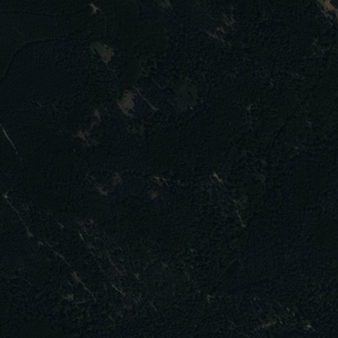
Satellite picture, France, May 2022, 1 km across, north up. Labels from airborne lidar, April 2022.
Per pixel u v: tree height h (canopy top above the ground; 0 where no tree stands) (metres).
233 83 18
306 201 21
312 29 18
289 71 17
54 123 19
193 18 18
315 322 31
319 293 34
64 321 20
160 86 33
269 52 31
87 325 27
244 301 23
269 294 31
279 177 34
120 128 24
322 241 26
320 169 27
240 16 20
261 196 8
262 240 26
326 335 32
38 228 16
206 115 23
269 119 26
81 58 30
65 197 16
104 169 20
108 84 28
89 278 22
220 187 30
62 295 11
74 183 25
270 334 19
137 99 24
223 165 18
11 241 28
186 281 13
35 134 24
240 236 21
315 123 29
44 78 23
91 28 16
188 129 21
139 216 17
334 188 23
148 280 19
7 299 21
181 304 24
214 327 18
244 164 6
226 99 17
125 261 20
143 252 19
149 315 29
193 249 15
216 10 18
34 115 26
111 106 27
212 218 25
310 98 30
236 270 43
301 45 21
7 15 16
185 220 26
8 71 21
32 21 16
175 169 20
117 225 21
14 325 15
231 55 21
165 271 15
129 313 27
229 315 17
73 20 14
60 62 21
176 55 27
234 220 20
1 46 15
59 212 32
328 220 27
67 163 15
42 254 24
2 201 15
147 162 26
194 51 24
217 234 10
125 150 24
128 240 20
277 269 21
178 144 18
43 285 26
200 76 25
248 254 23
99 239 20
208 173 18
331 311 32
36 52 21
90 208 19
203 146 21
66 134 20
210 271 29
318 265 31
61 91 22
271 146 33
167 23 37
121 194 18
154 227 27
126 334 29
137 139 23
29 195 22
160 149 23
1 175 24
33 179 19
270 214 23
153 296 22
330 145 24
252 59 32
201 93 22
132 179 19
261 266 22
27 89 23
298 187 24
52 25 19
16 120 21
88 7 14
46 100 23
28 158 16
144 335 28
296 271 33
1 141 18
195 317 24
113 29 20
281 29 26
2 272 25
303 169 25
